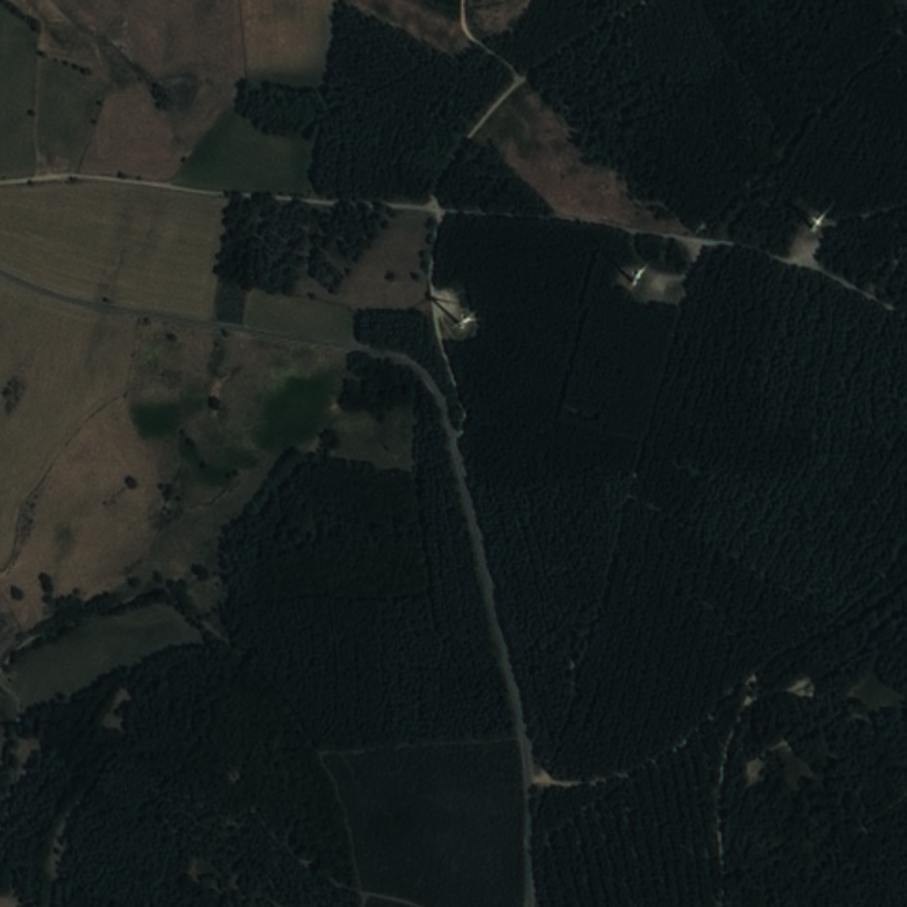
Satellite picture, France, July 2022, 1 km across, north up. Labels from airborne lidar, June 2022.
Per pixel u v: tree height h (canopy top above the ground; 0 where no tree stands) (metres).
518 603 23
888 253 19
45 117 0
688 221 16
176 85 0
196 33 0
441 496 19
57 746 20
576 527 23
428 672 23
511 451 17
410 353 19
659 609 20
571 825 16
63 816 14
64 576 0
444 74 24
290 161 0
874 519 16
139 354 0
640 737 17
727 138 15
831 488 16
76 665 0
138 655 0
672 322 19
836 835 15
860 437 15
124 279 0
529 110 0
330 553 19
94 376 0
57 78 0
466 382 17
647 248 13
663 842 18
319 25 0
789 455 15
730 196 12
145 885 16
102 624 0
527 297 16
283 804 15
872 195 21
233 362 0
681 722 20
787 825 18
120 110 0
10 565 0
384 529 19
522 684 22
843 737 16
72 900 16
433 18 0
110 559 0
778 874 18
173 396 0
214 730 15
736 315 16
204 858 17
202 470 8
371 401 18
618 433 20
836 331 21
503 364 16
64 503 0
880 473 13
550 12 12
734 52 13
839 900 16
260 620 20
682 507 16
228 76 0
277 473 14
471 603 22
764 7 14
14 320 0
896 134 22
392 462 0
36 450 0
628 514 20
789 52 13
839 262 20
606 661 22
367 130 24
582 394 22
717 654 19
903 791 19
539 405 17
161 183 0
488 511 18
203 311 0
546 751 20
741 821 15
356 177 20
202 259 0
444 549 23
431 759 6
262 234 17
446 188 21
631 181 13
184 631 0
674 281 0
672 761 17
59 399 0
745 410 12
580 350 20
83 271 0
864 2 13
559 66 23
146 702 15
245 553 18
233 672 19
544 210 13
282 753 12
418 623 18
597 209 0
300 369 0
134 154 0
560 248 17
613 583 21
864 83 15
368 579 16
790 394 20
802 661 14
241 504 0
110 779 16
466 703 22
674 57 14
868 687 0
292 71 0
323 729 19
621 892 17
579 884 18
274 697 13
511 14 0
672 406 18
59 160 0
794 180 20
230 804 16
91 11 0
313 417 0
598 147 18
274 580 19
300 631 17
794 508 17
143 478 0
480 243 15
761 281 17
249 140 0
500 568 21
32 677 0
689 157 15
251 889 15
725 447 16
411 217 0
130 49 0
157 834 16
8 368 0
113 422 0
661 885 17
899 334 17
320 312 0
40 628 10
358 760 6
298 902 24
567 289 15
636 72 11
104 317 0
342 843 12
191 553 0
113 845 17
